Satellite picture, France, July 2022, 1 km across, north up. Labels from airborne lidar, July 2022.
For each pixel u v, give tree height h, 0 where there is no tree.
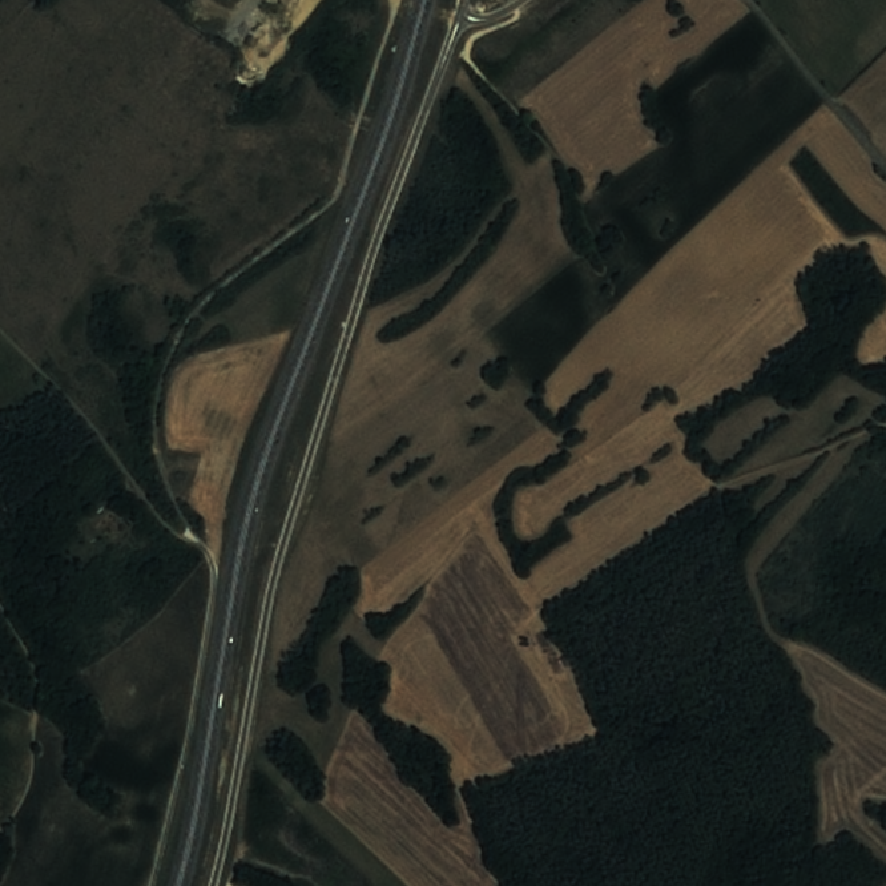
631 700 19
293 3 0
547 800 19
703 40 0
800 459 0
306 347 0
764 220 0
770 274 0
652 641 16
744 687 14
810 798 14
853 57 0
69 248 0
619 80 0
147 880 0
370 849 0
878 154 0
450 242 12
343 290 0
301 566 0
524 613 0
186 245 18
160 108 0
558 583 0
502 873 17
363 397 0
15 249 0
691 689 7
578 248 11
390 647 0
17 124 0
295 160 0
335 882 0
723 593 14
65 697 19
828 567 10
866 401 0
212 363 0
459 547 0
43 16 0
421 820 0
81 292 0
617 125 0
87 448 12
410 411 0
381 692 19
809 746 17
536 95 0
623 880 17
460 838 0
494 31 0
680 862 17
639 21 0
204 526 13
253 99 12
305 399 0
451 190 6
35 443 15
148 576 16
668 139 13
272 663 0
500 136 0
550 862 20
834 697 0
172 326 7
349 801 0
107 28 0
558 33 0
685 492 0
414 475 10
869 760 0
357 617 0
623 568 16
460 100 13
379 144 0
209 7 0
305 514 0
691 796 20
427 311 7
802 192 0
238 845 0
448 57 0
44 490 15
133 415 11
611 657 21
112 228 0
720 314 0
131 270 0
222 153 0
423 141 0
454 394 0
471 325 0
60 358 0
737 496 16
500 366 14
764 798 18
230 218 0
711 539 20
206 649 0
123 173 0
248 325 0
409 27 0
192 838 0
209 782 0
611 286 10
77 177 0
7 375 0
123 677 0
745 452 7
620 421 0
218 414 0
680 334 0
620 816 18
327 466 0
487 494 0
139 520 10
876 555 18
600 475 0
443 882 0
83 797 16
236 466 0
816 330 16
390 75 0
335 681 0
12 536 14
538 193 0
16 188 0
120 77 0
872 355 0
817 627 8
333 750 0
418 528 0
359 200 0
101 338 15
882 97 0
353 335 0
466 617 0
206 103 0
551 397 0
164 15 0
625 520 0
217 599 0
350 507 0
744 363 0
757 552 0
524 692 0
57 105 0
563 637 15
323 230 0
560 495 0
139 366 11
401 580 0
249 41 0
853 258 13
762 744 20
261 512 0
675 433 0
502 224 9
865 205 0
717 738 18
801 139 0
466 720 0
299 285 0
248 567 0
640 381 0
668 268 0
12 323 0
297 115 0
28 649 7
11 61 0
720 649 12
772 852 26
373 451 0
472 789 19
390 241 16
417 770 12
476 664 0
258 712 0
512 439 0
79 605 6
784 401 16
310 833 0
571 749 15
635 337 0
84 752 18
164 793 0
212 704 0
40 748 11
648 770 19
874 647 8
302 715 0
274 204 0
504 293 0
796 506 0
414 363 0
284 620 0
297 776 21
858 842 11
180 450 0
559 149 0
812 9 0
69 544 8
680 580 18
